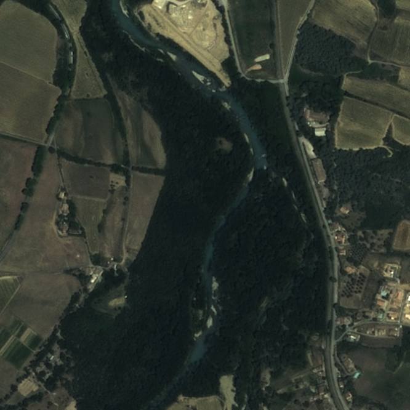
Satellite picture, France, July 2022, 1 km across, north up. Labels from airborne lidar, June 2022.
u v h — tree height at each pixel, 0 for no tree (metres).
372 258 0
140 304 10
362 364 0
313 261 27
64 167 0
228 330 28
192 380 11
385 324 0
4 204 0
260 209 21
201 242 9
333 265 0
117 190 0
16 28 0
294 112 24
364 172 11
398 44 0
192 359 0
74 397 12
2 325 0
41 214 0
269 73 0
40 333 0
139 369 8
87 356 11
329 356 0
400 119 0
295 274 7
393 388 0
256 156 0
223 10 10
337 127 0
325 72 12
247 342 17
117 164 9
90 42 11
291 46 0
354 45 10
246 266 25
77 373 10
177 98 13
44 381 11
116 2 0
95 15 13
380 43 0
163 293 9
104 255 0
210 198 16
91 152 0
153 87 12
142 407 25
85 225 0
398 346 8
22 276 0
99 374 11
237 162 20
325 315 9
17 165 0
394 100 0
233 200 27
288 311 22
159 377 28
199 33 0
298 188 22
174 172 10
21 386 0
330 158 17
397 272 0
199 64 8
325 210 9
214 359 28
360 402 7
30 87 0
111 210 0
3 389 0
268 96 6
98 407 6
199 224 19
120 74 7
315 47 10
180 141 23
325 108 13
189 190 10
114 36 25
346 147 0
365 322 0
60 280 0
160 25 0
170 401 24
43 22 0
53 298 0
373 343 0
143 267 8
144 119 0
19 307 0
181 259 14
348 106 0
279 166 22
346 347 6
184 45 0
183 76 9
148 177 0
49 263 0
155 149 0
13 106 0
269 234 29
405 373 0
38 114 0
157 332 27
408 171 11
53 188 0
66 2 0
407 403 0
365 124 0
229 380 0
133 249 0
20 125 0
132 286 9
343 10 0
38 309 0
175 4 0
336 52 12
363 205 12
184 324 34
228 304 33
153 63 28
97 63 10
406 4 0
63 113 15
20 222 14
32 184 18
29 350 0
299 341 13
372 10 0
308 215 19
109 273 9
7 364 0
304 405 9
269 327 20
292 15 0
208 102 19
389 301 0
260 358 11
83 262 0
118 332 8
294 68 6
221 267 22
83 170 0
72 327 10
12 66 0
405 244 0
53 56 0
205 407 0
